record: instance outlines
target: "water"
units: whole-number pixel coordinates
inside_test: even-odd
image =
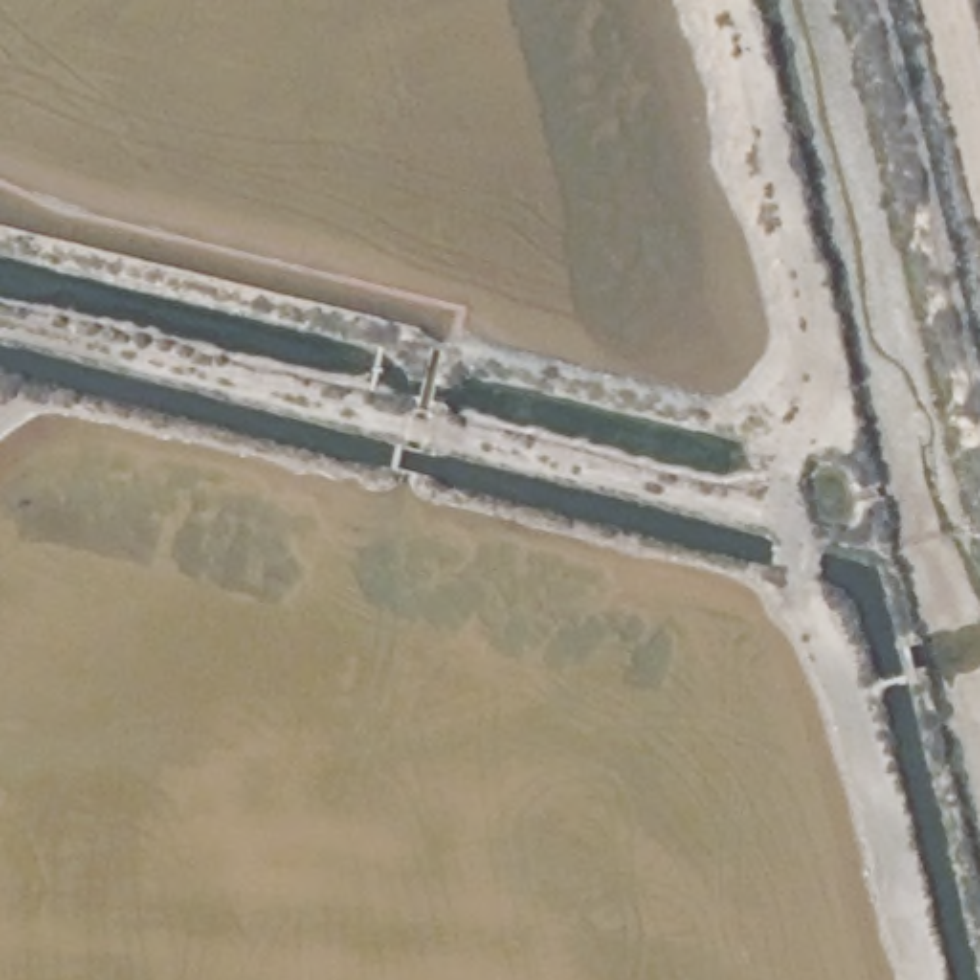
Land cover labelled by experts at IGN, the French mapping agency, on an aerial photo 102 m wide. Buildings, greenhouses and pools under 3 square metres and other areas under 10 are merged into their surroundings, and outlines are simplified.
[[[69,306],[80,314],[157,325],[172,337],[191,337],[230,352],[268,356],[318,371],[364,375],[371,368],[371,352],[314,333],[253,322],[241,314],[126,291],[100,279],[65,276],[0,256],[0,299]]]
[[[639,536],[658,547],[693,551],[724,563],[762,567],[773,559],[769,540],[754,528],[716,524],[678,509],[643,505],[605,490],[586,490],[555,479],[475,463],[463,456],[406,452],[402,467],[425,475],[433,486],[444,490],[463,490],[471,498],[536,509],[613,536]]]
[[[490,387],[467,375],[448,383],[440,398],[456,425],[467,425],[467,413],[479,410],[513,425],[540,425],[559,436],[582,436],[658,463],[681,463],[716,475],[746,467],[743,444],[731,436],[620,417],[532,390]]]
[[[467,306],[467,337],[479,345],[540,360],[567,360],[574,368],[609,375],[632,375],[639,383],[662,383],[689,394],[731,394],[766,356],[769,322],[746,234],[712,172],[704,84],[693,61],[693,46],[678,27],[674,0],[0,0],[0,226],[375,314],[387,322],[413,325],[417,333],[436,341],[452,333],[452,318]]]
[[[823,555],[819,582],[827,605],[842,613],[850,639],[865,655],[861,681],[900,674],[896,635],[877,570],[842,555]]]
[[[417,494],[410,494],[410,482],[394,482],[390,490],[360,490],[352,482],[291,475],[272,463],[218,456],[176,440],[149,440],[126,429],[88,425],[77,417],[34,417],[8,440],[0,440],[0,980],[896,980],[880,946],[877,911],[861,877],[861,846],[854,835],[846,789],[827,743],[815,693],[800,670],[789,635],[766,616],[754,590],[689,567],[647,563],[620,551],[590,547],[582,540],[544,536],[513,521],[429,505]]]
[[[957,884],[946,854],[946,827],[930,773],[923,766],[923,743],[915,731],[907,685],[888,689],[880,697],[880,716],[892,769],[911,815],[911,838],[926,880],[930,923],[942,946],[946,980],[976,980],[976,961],[961,923]]]
[[[54,390],[65,390],[77,402],[100,402],[123,413],[203,425],[241,440],[295,448],[306,456],[368,471],[387,467],[390,440],[214,398],[191,387],[142,379],[130,371],[77,364],[23,345],[0,345],[0,402],[38,402]]]

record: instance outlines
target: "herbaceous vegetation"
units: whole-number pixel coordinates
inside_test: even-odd
[[[934,632],[919,613],[911,563],[903,555],[900,501],[892,494],[880,425],[869,394],[869,371],[861,360],[854,302],[846,287],[846,264],[831,234],[823,168],[812,145],[812,126],[800,100],[792,46],[785,38],[777,0],[754,0],[785,107],[792,168],[804,184],[808,230],[827,268],[827,287],[846,352],[850,398],[858,417],[854,444],[865,452],[865,467],[858,471],[858,479],[877,486],[877,505],[869,505],[861,524],[850,524],[850,513],[842,513],[815,532],[815,547],[823,555],[842,555],[877,570],[896,635],[911,632],[915,643],[923,643]]]
[[[976,524],[976,540],[961,540],[942,501],[934,463],[923,467],[923,486],[938,517],[938,532],[961,559],[965,578],[980,601],[980,218],[972,211],[957,126],[946,100],[946,80],[934,57],[934,38],[919,46],[923,92],[911,96],[888,0],[835,0],[835,27],[842,31],[850,50],[854,92],[861,100],[865,134],[880,180],[880,211],[888,222],[892,249],[900,256],[907,310],[915,322],[915,337],[923,345],[923,368],[934,394],[946,459],[957,479],[961,509]],[[949,272],[934,268],[923,253],[911,249],[915,211],[923,207],[942,214],[953,249]]]
[[[923,766],[930,773],[946,827],[946,854],[957,884],[961,923],[976,961],[976,980],[980,980],[980,823],[965,773],[965,754],[949,727],[949,678],[942,670],[930,670],[915,685],[907,685],[915,731],[923,743]]]

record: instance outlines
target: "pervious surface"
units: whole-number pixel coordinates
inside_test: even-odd
[[[831,234],[846,264],[846,287],[854,302],[861,360],[869,371],[869,394],[880,425],[892,494],[900,501],[903,555],[911,563],[919,613],[934,632],[923,643],[915,643],[911,632],[896,635],[900,674],[861,681],[865,655],[850,639],[842,613],[827,605],[819,582],[823,555],[815,547],[815,532],[842,513],[850,513],[850,524],[861,524],[869,505],[877,505],[877,486],[858,479],[858,471],[865,467],[865,452],[854,444],[858,417],[850,398],[846,352],[827,287],[827,268],[808,230],[804,184],[792,168],[785,107],[754,0],[674,0],[678,27],[693,46],[693,61],[704,84],[712,172],[746,234],[769,322],[766,356],[731,394],[689,394],[662,383],[639,383],[632,375],[609,375],[574,368],[567,360],[540,360],[479,345],[467,337],[467,306],[452,318],[452,333],[436,341],[417,333],[413,325],[387,322],[375,314],[0,226],[0,256],[65,276],[100,279],[126,291],[241,314],[253,322],[314,333],[371,352],[371,368],[364,375],[318,371],[268,356],[230,352],[191,337],[172,337],[157,325],[80,314],[69,306],[0,299],[0,345],[23,345],[77,364],[130,371],[142,379],[191,387],[214,398],[390,440],[387,467],[368,471],[306,456],[295,448],[241,440],[203,425],[123,413],[100,402],[77,402],[65,390],[54,390],[38,402],[0,402],[0,440],[8,440],[34,417],[77,417],[88,425],[126,429],[149,440],[176,440],[218,456],[272,463],[291,475],[352,482],[360,490],[390,490],[394,482],[410,482],[410,494],[417,494],[429,505],[513,521],[544,536],[582,540],[590,547],[620,551],[647,563],[689,567],[754,590],[766,616],[789,635],[800,670],[815,693],[827,743],[846,789],[854,835],[861,846],[861,877],[877,911],[880,946],[896,980],[946,980],[942,946],[930,923],[926,880],[911,838],[911,815],[892,769],[880,716],[880,697],[888,689],[907,685],[915,685],[930,670],[942,670],[949,678],[949,727],[965,754],[965,773],[980,823],[980,601],[965,578],[961,559],[938,532],[938,517],[923,486],[923,467],[934,463],[942,501],[961,540],[976,540],[976,524],[961,509],[957,479],[946,459],[934,394],[923,368],[923,345],[915,337],[915,322],[907,310],[900,256],[892,249],[888,222],[880,211],[880,180],[865,134],[861,100],[854,92],[850,50],[842,31],[835,27],[835,0],[777,0],[785,38],[792,46],[800,100],[812,126],[812,145],[823,168]],[[746,467],[716,475],[681,463],[658,463],[582,436],[559,436],[540,425],[513,425],[479,410],[467,413],[467,425],[456,425],[440,398],[448,383],[467,375],[490,387],[532,390],[620,417],[731,436],[743,444]],[[754,528],[769,540],[773,559],[762,567],[724,563],[693,551],[658,547],[639,536],[613,536],[536,509],[471,498],[463,490],[444,490],[433,486],[425,475],[402,467],[406,452],[463,456],[475,463],[555,479],[586,490],[605,490],[643,505],[678,509],[716,524]]]
[[[946,100],[957,126],[972,211],[980,218],[980,0],[888,0],[911,96],[923,92],[919,46],[934,38],[934,57],[946,80]]]
[[[942,214],[923,207],[915,211],[911,249],[923,253],[934,268],[949,272],[953,249]]]

